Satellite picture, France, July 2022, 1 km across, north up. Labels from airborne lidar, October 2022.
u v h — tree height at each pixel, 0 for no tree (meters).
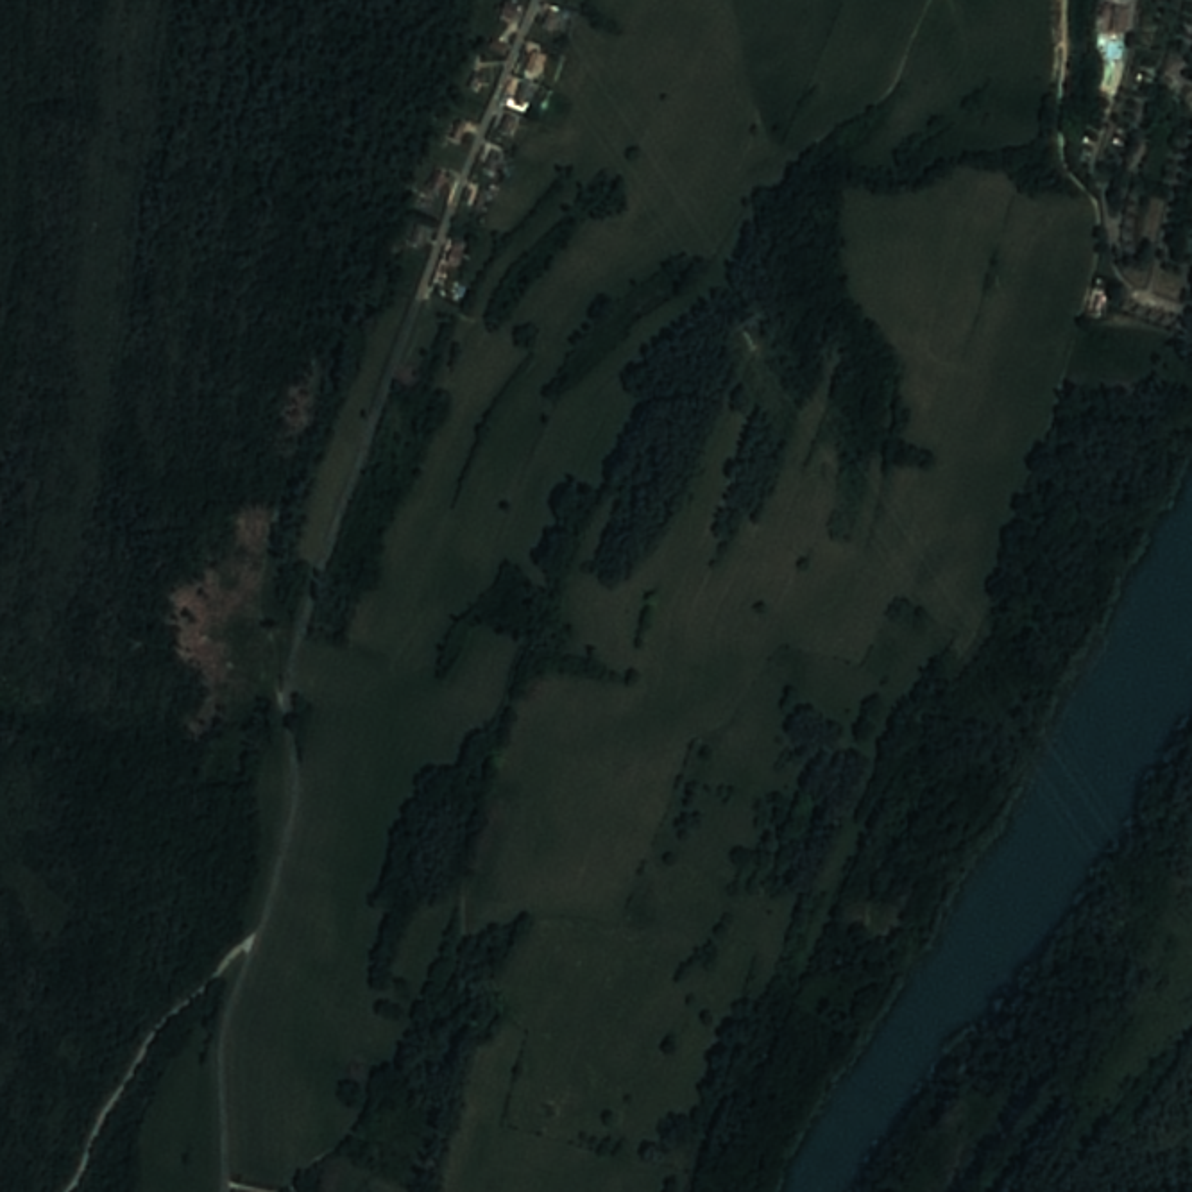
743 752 0
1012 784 11
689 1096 0
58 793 7
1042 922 0
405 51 7
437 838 25
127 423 6
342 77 16
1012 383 0
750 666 0
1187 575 0
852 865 10
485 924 0
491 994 9
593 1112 0
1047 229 0
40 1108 9
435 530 0
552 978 0
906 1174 17
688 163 0
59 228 8
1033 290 0
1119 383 0
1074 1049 28
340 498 0
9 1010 8
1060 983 22
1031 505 18
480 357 0
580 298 0
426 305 0
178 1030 14
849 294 19
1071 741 0
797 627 0
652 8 0
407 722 0
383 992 13
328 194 17
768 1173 22
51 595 6
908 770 14
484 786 15
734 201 0
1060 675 19
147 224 19
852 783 24
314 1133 0
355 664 0
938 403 0
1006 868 0
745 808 0
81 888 7
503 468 0
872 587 0
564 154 0
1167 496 14
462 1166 0
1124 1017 13
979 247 0
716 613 0
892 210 0
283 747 0
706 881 0
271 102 19
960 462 0
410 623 0
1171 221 7
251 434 12
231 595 0
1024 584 21
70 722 9
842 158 10
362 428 0
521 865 0
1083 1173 23
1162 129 20
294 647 0
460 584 0
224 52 8
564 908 0
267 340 13
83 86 9
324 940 0
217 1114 0
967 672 8
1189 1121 10
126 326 7
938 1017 0
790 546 0
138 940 10
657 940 0
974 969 0
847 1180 0
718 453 0
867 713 12
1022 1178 26
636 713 0
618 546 18
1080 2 7
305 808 0
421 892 20
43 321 11
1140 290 0
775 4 0
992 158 12
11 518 12
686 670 0
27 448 8
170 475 10
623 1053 0
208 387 15
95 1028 11
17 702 6
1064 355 0
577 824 0
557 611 10
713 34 0
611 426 0
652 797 0
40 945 8
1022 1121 30
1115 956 8
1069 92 8
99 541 11
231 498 12
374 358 0
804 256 16
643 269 0
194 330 10
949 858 21
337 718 0
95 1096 11
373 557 10
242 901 9
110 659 7
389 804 0
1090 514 22
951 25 0
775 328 10
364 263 19
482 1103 0
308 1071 0
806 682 0
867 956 21
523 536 0
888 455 14
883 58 0
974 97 8
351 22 21
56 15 8
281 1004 0
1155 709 0
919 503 0
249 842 12
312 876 0
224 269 13
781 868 13
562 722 0
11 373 11
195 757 15
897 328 0
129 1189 8
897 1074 0
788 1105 23
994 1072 17
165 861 7
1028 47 0
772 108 0
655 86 0
